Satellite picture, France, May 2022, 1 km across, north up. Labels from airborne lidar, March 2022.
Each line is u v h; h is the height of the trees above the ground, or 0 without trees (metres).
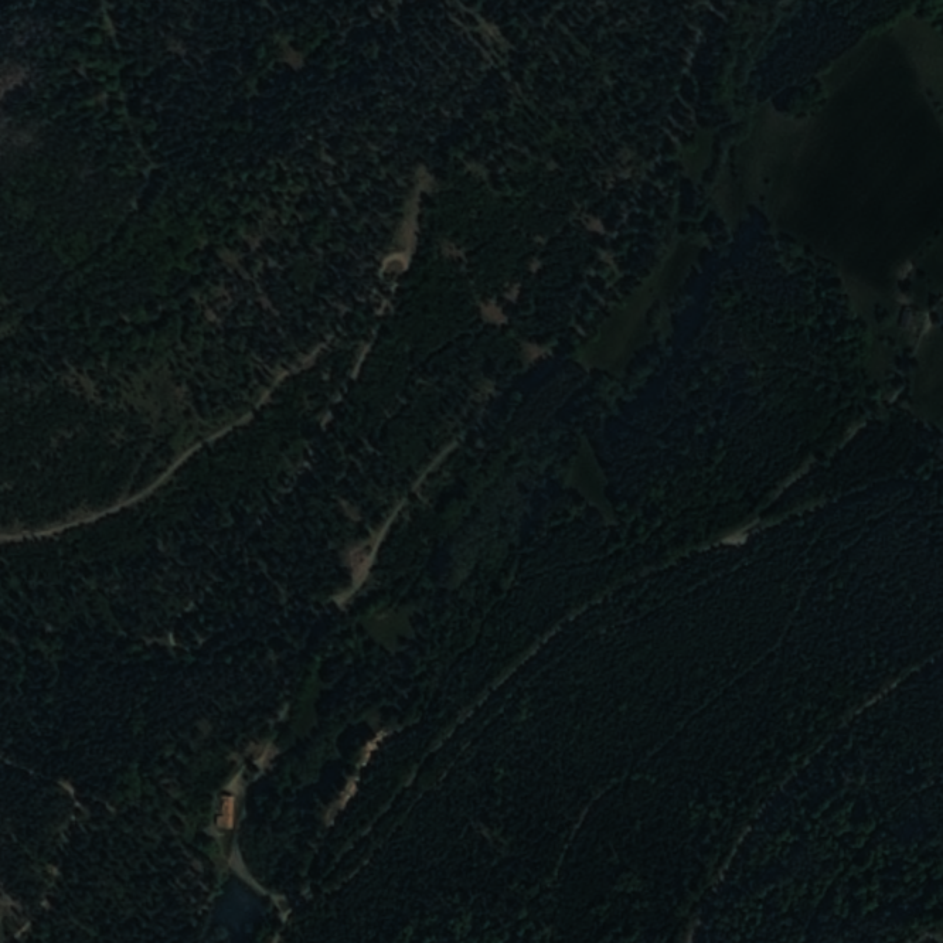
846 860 28
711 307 38
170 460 8
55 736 28
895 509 19
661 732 8
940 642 23
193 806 7
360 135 29
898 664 20
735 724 11
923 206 0
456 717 13
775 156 0
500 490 16
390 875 7
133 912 8
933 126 0
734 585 11
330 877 10
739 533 0
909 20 0
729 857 7
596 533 8
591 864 12
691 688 10
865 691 15
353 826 10
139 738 20
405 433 9
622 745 6
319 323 30
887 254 0
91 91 33
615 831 14
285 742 18
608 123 35
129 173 9
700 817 8
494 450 33
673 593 9
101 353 29
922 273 13
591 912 11
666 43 14
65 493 8
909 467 8
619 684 10
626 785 7
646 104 25
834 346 14
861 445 12
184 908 33
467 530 22
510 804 8
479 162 32
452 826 7
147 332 31
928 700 11
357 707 19
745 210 0
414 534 10
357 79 22
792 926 27
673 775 8
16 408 8
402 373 9
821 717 10
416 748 10
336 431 12
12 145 25
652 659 7
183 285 27
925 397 0
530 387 35
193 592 27
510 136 37
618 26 36
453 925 20
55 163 21
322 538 7
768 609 11
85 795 23
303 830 35
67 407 9
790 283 31
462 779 8
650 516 34
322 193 35
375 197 37
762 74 30
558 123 37
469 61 26
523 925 12
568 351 31
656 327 14
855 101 0
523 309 7
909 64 0
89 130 18
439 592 30
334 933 8
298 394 10
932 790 7
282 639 26
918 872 24
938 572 20
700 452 27
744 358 32
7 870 25
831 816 31
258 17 29
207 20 24
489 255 10
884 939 25
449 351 12
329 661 29
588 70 34
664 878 14
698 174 0
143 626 30
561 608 11
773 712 8
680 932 7
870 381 10
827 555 11
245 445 11
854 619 16
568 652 10
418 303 12
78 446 6
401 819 12
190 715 21
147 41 31
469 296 7
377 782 14
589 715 7
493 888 12
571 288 23
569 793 6
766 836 21
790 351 6
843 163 0
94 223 23
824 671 12
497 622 13
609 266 6
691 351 39
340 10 36
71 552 10
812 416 11
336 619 36
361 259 35
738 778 11
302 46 25
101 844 30
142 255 23
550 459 19
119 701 24
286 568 36
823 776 31
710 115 30
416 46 28
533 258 11
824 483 11
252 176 30
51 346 23
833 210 0
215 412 30
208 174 24
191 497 12
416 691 19
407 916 8
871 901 27
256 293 31
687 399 34
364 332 34
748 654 9
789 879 25
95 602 7
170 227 27
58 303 22
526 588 8
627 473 30
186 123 23
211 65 23
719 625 10
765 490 11
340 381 9
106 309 27
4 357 13
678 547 18
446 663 6
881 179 0
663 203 30
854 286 0
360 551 0
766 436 8
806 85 26
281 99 26
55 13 18
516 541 11
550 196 9
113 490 10
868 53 0
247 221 34
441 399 5
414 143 33
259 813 36
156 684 28
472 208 6
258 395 8
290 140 29
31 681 22
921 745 8
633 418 31
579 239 13
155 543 6
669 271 0
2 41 20
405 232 0
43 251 23
